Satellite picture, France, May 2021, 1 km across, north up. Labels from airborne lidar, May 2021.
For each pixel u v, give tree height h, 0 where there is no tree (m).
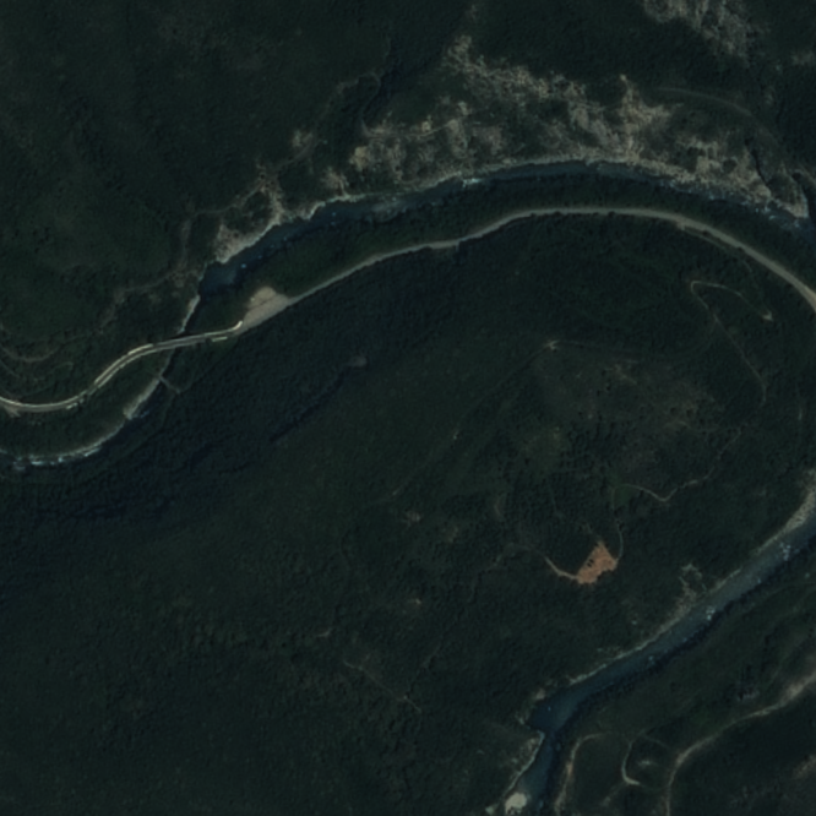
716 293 7
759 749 5
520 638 12
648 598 11
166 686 7
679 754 0
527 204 9
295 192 8
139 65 10
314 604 11
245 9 6
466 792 7
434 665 14
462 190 6
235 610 9
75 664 9
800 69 10
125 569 8
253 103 5
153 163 8
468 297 9
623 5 9
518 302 8
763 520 5
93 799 6
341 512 7
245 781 6
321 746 11
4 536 15
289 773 9
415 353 8
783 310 7
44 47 7
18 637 7
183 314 15
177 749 6
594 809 0
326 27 7
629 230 8
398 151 0
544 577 12
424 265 14
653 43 14
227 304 8
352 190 15
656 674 13
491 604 10
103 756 10
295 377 7
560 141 0
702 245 11
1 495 7
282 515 8
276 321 10
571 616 8
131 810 10
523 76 0
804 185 26
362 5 10
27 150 6
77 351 13
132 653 8
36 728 7
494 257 10
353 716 13
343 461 8
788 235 15
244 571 6
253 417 7
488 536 10
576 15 14
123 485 10
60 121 6
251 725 8
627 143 0
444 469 7
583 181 17
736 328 11
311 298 9
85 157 10
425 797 11
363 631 6
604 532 6
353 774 9
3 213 7
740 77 8
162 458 11
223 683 8
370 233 8
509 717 14
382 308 6
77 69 6
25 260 5
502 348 6
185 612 7
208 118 9
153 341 18
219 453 10
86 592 8
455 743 9
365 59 6
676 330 7
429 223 6
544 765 0
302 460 7
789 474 10
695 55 9
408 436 6
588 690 0
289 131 8
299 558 15
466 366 6
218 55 7
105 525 9
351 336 6
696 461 7
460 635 10
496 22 6
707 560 15
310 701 14
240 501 6
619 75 7
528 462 11
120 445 18
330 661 7
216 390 10
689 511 12
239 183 6
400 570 11
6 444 11
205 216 10
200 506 7
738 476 9
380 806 7
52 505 13
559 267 9
